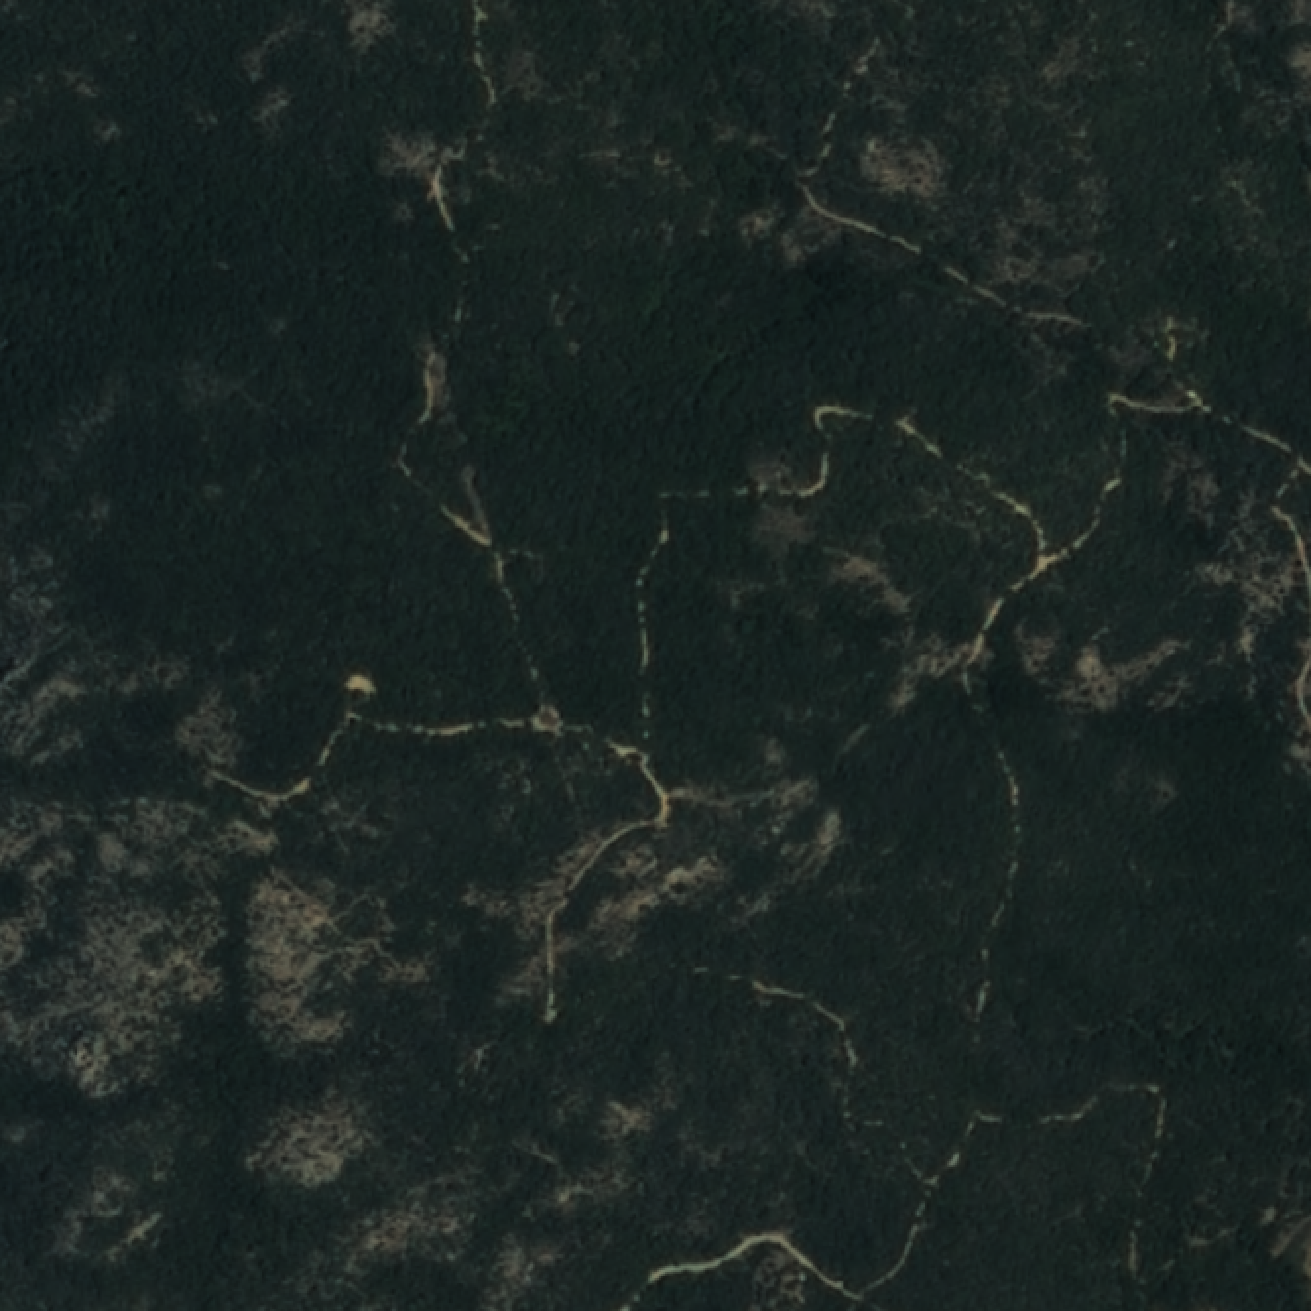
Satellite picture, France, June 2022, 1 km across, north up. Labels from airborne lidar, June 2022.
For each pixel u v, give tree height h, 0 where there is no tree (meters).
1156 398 7
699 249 9
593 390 8
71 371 12
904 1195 7
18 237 7
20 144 6
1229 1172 13
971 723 9
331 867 6
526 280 10
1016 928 7
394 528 6
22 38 7
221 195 12
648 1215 7
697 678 9
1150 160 11
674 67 12
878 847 6
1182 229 13
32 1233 9
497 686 7
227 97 6
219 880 6
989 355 11
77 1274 10
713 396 14
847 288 8
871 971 6
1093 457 9
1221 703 7
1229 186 8
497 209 7
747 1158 8
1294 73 8
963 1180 8
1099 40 8
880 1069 8
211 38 6
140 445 7
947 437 10
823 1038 10
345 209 7
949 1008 10
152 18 10
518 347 9
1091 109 10
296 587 7
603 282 12
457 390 9
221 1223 9
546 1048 12
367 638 7
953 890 7
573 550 9
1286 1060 15
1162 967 7
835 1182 7
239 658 6
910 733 6
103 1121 6
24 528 6
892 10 9
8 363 13
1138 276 10
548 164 9
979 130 7
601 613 7
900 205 8
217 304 5
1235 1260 8
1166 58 8
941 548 7
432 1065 6
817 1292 8
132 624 6
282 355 6
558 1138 10
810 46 9
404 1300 8
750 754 7
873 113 7
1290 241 7
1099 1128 7
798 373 9
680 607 7
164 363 6
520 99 7
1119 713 8
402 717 7
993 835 8
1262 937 9
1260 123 6
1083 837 8
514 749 8
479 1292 9
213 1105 9
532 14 7
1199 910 7
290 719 7
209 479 7
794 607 8
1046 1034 11
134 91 6
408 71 6
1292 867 8
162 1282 8
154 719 7
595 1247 9
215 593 7
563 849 6
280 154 7
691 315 6
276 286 7
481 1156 9
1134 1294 8
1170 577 9
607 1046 6
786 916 8
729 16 10
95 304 13
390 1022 9
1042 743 6
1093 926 7
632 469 9
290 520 8
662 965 9
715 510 11
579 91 7
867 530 6
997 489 8
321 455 10
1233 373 10
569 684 6
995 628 9
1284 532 8
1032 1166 7
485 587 8
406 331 7
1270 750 6
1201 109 8
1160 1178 11
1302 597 6
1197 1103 9
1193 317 7
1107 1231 11
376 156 8
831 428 7
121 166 8
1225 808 7
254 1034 6
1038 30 9
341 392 6
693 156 10
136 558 9
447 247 8
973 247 7
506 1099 10
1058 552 9
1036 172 9
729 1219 8
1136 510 8
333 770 6
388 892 7
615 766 7
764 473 0
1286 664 8
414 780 7
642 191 14
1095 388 7
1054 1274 8
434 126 6
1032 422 10
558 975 7
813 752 8
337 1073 8
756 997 8
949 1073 8
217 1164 8
